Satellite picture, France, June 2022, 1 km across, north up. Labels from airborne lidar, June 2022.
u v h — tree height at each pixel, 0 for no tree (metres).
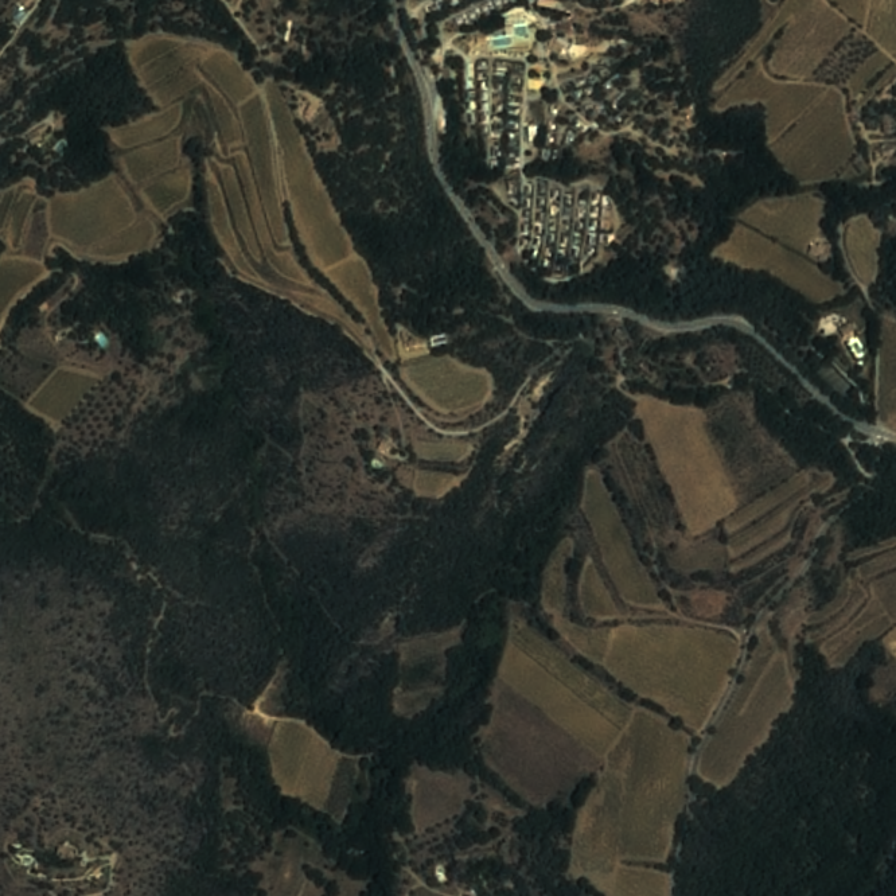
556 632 8
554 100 10
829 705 8
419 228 9
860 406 14
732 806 15
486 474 9
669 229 7
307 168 0
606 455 7
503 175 14
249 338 8
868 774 12
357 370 7
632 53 6
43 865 9
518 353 12
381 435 7
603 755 0
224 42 12
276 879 0
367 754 8
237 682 7
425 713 15
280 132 0
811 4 0
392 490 7
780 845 16
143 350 7
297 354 6
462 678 10
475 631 9
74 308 12
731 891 11
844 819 12
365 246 11
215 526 6
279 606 9
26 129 12
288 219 8
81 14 15
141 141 0
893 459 12
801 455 11
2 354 7
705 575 9
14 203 0
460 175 15
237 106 0
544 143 12
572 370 6
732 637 0
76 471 6
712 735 10
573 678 0
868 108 8
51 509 10
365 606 6
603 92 7
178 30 12
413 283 11
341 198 7
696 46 7
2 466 6
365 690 8
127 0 10
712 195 13
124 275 11
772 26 0
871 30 0
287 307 6
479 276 12
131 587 7
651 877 0
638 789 0
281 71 11
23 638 0
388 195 9
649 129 6
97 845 7
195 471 8
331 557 12
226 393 13
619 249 9
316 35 6
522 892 12
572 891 11
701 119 8
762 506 0
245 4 6
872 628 0
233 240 0
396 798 15
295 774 0
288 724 0
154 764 7
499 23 13
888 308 9
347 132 10
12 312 6
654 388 10
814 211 0
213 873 11
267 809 9
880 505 7
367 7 9
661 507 0
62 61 7
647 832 0
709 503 0
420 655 0
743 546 0
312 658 7
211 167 0
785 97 0
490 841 10
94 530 6
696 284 12
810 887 11
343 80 9
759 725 0
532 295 8
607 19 11
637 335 11
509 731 0
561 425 8
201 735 6
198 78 0
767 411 13
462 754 11
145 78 0
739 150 12
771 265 0
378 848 17
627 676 0
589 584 0
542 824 10
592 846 0
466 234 10
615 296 13
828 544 13
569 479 11
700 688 0
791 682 0
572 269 12
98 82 9
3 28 8
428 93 0
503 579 11
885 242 9
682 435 0
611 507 0
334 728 20
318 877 10
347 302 7
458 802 0
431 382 0
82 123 13
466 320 8
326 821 13
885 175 9
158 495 8
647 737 0
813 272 0
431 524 11
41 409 0
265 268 0
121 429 6
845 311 0
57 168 9
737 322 0
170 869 8
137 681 8
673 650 0
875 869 22
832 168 0
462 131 11
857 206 9
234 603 7
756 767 12
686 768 0
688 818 8
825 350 12
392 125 8
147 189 0
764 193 19
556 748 0
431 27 14
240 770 12
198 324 8
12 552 9
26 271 0
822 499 11
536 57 8
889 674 0
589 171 8
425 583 8
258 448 6
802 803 16
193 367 7
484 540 6
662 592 9
